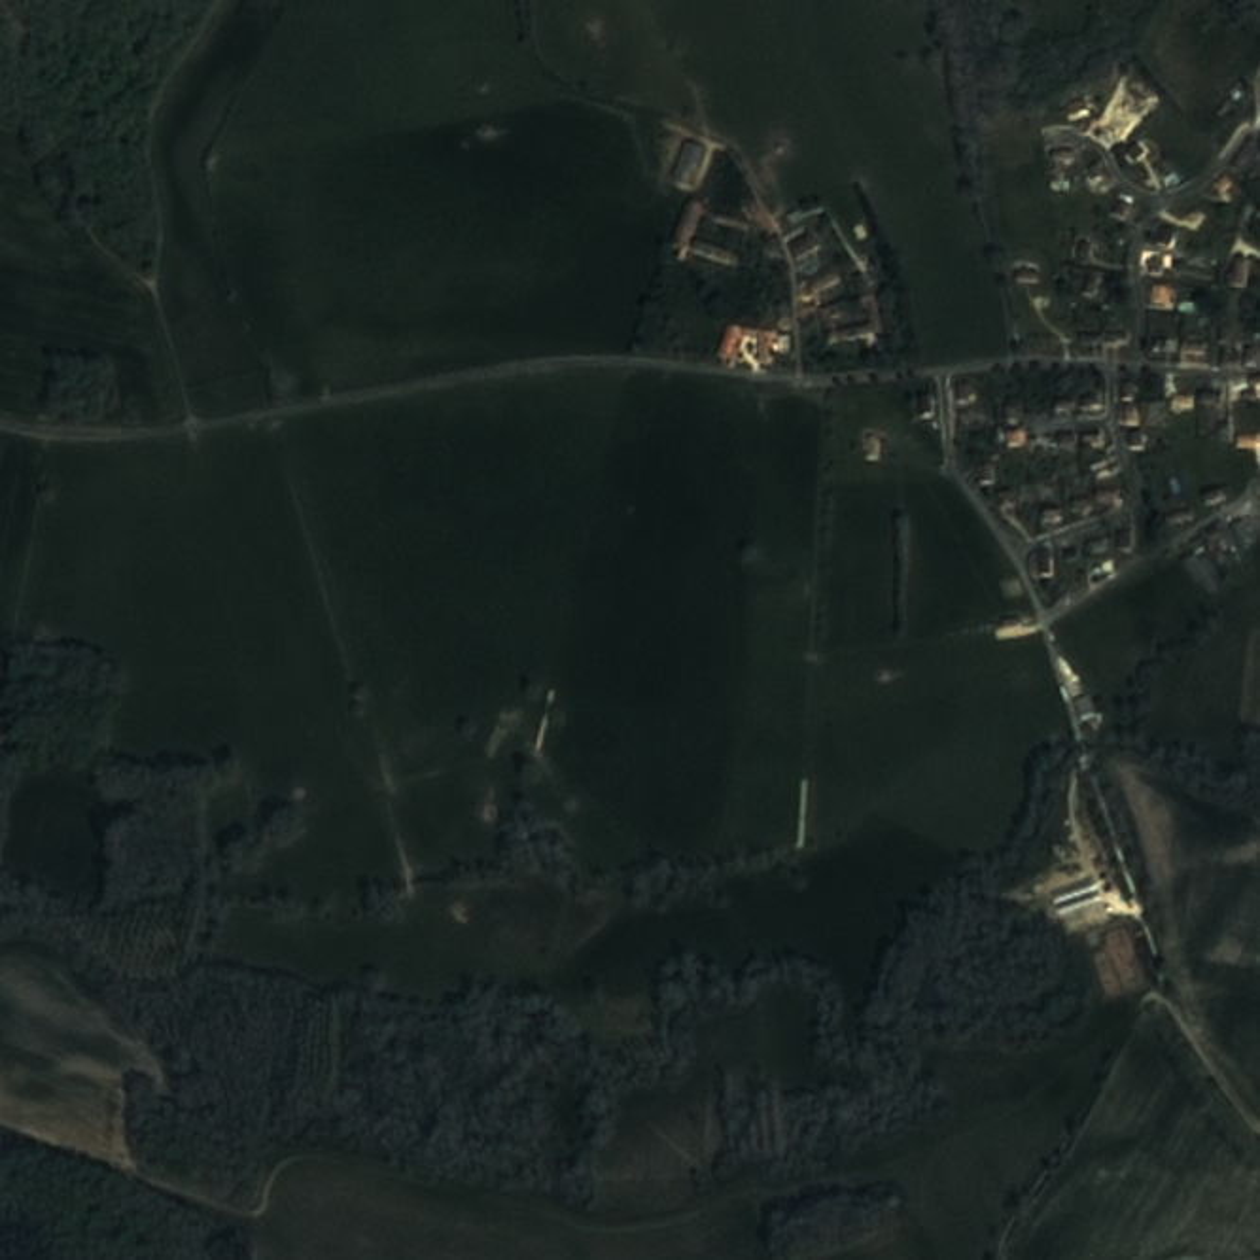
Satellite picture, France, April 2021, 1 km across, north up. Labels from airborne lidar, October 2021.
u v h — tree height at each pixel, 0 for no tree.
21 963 0
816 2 0
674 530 0
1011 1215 12
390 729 0
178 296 0
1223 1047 0
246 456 0
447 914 0
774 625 0
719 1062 0
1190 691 0
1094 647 0
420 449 0
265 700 0
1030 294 0
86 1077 0
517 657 0
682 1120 0
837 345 8
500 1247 0
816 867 0
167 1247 22
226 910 20
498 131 0
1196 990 0
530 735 0
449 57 0
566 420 0
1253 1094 0
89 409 23
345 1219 0
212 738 0
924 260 0
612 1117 9
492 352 0
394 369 0
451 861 0
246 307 0
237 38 0
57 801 0
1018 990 18
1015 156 0
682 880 31
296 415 0
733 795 0
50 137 18
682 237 0
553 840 17
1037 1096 0
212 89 0
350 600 0
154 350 0
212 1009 31
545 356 0
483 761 0
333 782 0
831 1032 12
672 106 0
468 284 0
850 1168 0
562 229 0
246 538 0
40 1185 24
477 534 0
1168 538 22
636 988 0
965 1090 0
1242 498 0
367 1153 9
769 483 0
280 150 0
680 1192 0
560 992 0
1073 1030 13
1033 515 6
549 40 0
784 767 0
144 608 0
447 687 0
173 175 0
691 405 0
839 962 0
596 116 0
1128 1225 0
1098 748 10
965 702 0
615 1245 0
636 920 0
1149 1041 0
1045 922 14
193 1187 22
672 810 0
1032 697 0
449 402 0
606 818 0
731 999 20
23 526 0
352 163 0
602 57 0
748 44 0
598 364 0
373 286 0
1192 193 0
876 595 0
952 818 0
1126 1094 0
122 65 24
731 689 0
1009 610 0
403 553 0
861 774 0
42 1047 0
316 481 0
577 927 0
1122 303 15
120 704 15
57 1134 0
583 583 0
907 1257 0
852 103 0
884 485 0
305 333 0
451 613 0
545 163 0
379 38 0
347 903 0
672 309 7
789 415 0
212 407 0
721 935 0
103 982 17
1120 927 0
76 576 0
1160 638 0
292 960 0
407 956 0
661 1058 25
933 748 0
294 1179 0
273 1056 27
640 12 0
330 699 0
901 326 10
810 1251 20
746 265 11
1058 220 0
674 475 0
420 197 0
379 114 0
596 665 0
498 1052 20
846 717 0
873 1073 18
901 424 0
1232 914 0
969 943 7
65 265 0
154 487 0
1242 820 0
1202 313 11
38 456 0
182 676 0
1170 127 0
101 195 15
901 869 0
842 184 0
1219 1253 0
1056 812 14
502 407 0
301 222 0
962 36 17
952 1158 0
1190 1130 0
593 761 0
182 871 24
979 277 0
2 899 19
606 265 0
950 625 0
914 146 0
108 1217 28
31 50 15
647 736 0
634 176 0
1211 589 0
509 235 0
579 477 0
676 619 0
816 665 0
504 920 0
